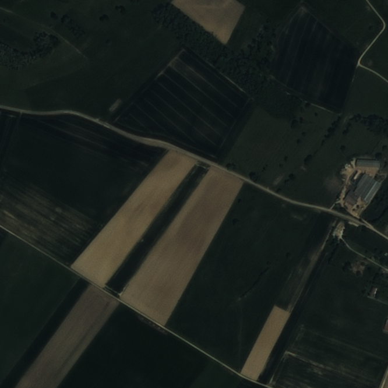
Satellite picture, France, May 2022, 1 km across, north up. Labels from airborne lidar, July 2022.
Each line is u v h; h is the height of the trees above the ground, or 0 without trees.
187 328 0
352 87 0
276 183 0
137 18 0
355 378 0
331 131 19
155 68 0
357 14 0
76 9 0
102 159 0
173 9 15
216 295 0
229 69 15
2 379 0
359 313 0
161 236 0
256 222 0
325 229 0
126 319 0
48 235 0
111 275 0
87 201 0
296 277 0
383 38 0
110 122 0
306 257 0
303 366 0
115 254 0
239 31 0
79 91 0
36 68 0
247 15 0
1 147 0
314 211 0
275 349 0
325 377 0
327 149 0
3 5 0
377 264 0
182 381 0
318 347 0
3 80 0
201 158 0
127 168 0
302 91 0
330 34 0
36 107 0
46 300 0
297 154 0
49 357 0
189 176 0
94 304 0
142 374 0
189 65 0
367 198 0
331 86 0
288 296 0
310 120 0
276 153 0
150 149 0
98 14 0
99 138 0
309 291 0
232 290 0
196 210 0
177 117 0
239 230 0
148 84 0
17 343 0
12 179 0
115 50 0
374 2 0
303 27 0
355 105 0
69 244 0
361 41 0
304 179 0
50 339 0
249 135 0
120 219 0
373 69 0
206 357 0
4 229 0
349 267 16
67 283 0
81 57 0
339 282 0
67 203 0
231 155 0
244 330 0
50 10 0
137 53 0
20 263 0
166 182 0
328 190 0
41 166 0
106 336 0
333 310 0
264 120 0
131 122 0
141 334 0
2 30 0
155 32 0
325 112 0
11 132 0
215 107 0
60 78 0
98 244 0
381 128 20
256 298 0
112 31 0
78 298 0
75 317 0
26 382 0
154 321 0
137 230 0
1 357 0
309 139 0
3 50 22
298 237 0
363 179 0
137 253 0
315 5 0
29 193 0
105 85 0
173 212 0
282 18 0
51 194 0
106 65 0
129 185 0
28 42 0
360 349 0
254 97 14
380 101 0
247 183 0
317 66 0
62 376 0
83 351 0
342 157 0
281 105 14
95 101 0
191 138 0
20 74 0
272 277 0
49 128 0
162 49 0
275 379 0
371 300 0
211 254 0
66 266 0
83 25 0
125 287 0
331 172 0
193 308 0
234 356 0
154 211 0
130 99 0
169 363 0
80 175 0
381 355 0
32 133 0
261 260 0
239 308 0
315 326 0
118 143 0
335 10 0
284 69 0
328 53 0
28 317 0
